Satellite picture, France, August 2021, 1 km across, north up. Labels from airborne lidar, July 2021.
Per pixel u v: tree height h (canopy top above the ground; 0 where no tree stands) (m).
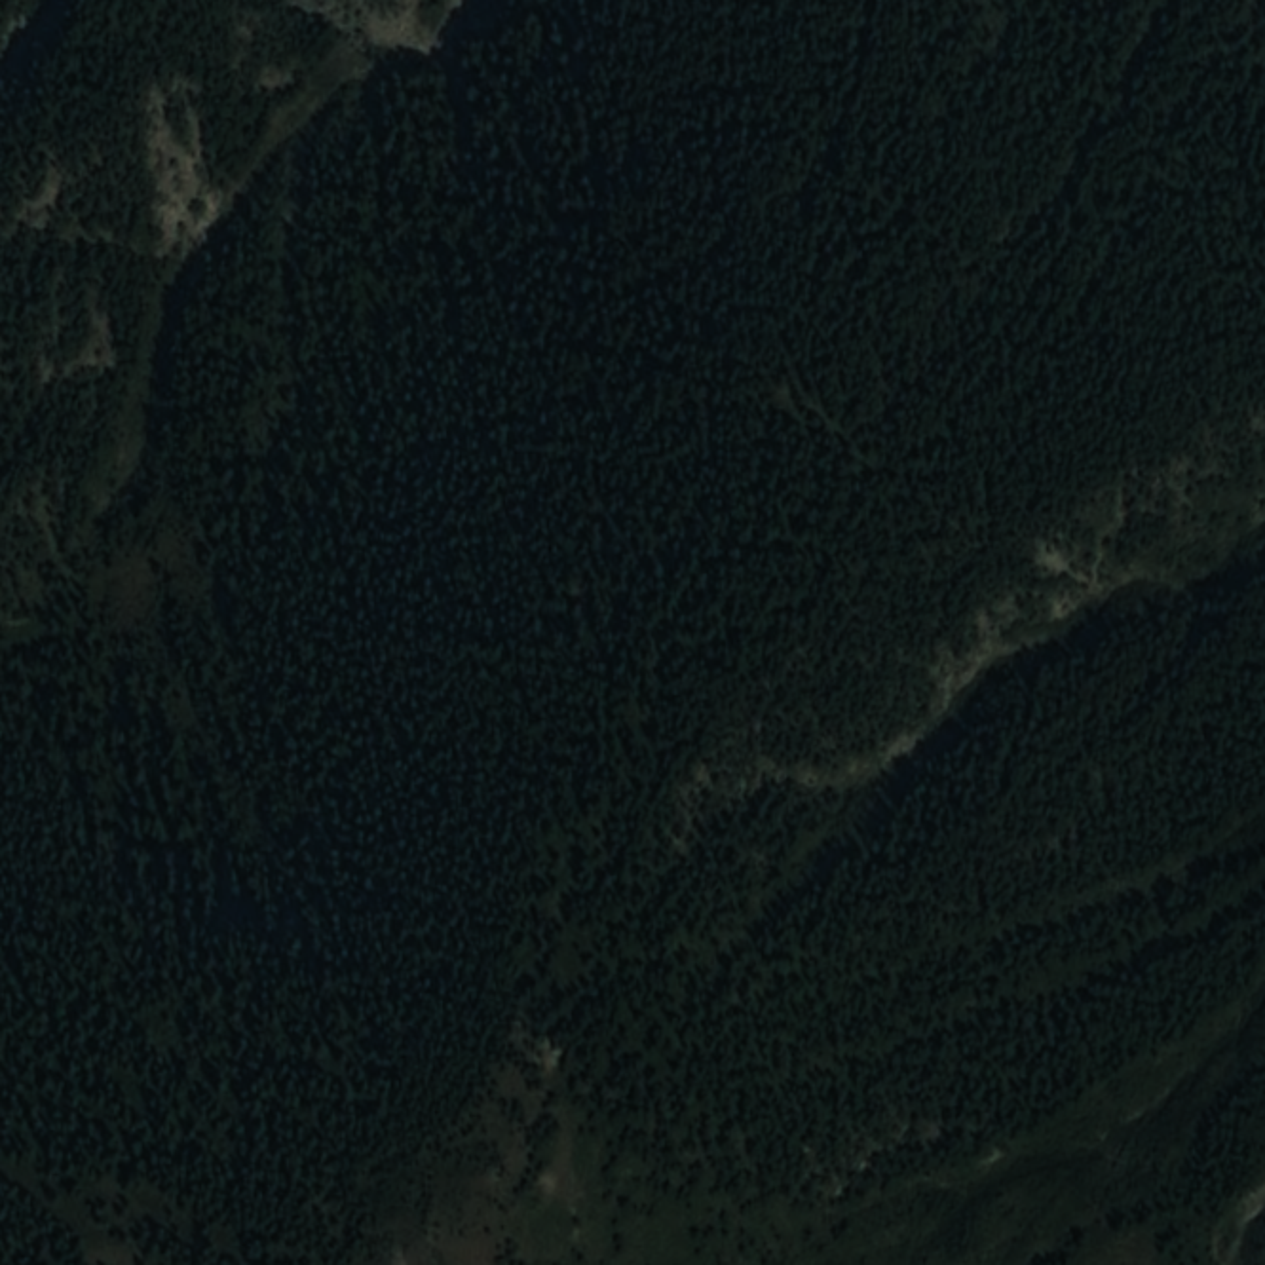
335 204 18
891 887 16
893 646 16
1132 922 25
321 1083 12
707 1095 17
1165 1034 23
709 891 14
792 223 18
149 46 18
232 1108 0
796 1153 16
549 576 13
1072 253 16
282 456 6
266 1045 13
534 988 12
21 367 14
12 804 13
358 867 9
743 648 23
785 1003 20
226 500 13
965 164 16
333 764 22
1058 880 19
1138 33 16
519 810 14
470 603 13
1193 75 21
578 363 22
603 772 10
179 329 9
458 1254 0
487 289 19
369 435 15
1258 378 15
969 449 21
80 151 16
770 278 21
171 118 22
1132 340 23
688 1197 12
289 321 20
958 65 22
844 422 17
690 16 25
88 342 13
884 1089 23
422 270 19
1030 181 17
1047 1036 29
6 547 14
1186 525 9
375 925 14
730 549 12
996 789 20
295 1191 12
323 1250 10
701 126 21
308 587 15
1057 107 9
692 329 20
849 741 14
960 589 18
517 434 12
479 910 13
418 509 21
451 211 15
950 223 20
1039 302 25
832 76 22
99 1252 0
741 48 22
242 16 12
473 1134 8
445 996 10
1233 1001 7
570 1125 0
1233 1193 8
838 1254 0
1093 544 10
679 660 21
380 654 16
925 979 8
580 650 19
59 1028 15
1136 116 18
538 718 13
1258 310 22
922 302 9
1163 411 13
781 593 23
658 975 22
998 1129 15
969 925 12
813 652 20
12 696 10
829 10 23
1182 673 19
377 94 14
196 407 23
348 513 17
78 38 19
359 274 20
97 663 21
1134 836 18
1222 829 24
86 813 8
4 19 7
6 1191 15
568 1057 15
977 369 18
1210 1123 12
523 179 23
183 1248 12
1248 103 24
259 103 17
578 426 9
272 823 12
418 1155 7
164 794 25
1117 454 15
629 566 14
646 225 21
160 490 7
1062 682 22
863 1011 10
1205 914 31
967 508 15
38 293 21
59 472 15
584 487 16
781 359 14
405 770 18
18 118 12
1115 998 28
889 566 22
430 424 13
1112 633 12
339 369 15
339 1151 10
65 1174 10
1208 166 21
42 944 18
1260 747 22
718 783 23
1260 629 25
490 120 25
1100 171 26
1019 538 17
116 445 11
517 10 16
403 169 20
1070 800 21
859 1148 9
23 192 6
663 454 11
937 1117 12
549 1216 0
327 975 16
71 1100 15
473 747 14
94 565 19
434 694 15
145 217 18
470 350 25
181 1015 8
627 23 20
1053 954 28
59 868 14
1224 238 24
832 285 14
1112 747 21
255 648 19
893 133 24
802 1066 22
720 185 18
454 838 10
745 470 11
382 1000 14
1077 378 28
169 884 22
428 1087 11
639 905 20
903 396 21
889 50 14
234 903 7
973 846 13
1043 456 22
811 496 15
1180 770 23
